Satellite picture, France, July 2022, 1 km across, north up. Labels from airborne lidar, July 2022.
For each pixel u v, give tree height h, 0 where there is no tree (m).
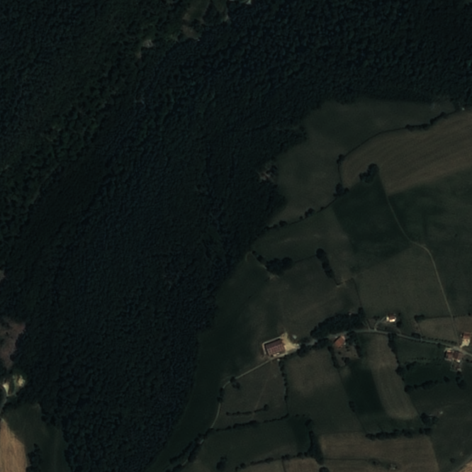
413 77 31
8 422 0
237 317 0
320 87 14
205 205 25
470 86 23
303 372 0
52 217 19
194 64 17
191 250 24
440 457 0
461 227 0
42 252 33
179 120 25
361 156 0
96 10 16
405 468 0
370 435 7
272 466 0
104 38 21
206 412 0
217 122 22
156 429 18
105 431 23
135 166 18
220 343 0
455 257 0
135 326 23
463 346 0
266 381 0
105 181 28
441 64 21
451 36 21
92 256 15
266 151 18
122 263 19
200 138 14
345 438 0
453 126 0
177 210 19
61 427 23
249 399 0
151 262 19
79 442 33
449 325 0
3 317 15
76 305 15
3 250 19
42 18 18
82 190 17
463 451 0
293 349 0
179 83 30
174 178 20
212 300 27
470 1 0
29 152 30
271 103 18
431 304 0
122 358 18
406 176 0
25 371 19
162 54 14
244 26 20
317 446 15
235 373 0
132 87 17
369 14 31
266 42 34
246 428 9
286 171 0
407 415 0
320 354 0
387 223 0
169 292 15
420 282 0
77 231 29
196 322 20
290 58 31
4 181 34
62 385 34
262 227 19
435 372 0
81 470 29
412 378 0
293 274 0
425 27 18
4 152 15
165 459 0
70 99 25
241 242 23
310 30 32
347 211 0
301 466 0
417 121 0
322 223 0
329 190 0
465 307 0
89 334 20
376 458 0
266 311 0
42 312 33
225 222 22
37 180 15
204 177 25
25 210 35
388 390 0
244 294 0
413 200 0
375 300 0
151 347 19
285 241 0
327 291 0
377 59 35
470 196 0
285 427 0
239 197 21
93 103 38
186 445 0
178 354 22
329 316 0
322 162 0
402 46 17
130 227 16
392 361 0
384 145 0
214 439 0
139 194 15
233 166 15
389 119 0
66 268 22
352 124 0
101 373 24
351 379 0
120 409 23
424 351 0
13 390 0
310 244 0
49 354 22
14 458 0
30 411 0
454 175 0
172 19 19
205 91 24
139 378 13
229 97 32
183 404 19
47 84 15
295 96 17
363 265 0
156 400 14
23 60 8
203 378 0
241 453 0
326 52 23
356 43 22
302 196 0
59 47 23
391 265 0
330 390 0
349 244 0
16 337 0
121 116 26
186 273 20
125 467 18
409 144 0
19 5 23
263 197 22
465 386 16
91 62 21
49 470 0
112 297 25
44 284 38
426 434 13
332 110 0
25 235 18
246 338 0
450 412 0
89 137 29
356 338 10
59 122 32
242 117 18
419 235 0
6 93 16
